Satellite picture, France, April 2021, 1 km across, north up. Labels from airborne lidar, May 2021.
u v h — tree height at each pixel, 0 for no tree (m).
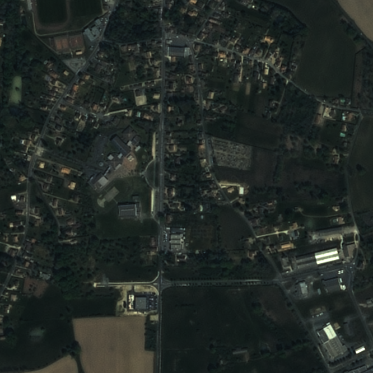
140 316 0
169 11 11
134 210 0
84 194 0
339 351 0
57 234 7
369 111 20
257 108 0
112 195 0
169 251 0
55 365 0
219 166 0
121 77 0
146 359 0
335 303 0
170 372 0
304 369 0
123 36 12
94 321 0
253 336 0
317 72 0
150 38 13
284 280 0
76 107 0
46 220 8
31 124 16
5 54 17
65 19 0
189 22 14
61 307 0
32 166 0
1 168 7
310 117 14
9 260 15
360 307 0
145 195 0
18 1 14
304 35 19
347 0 0
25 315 0
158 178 0
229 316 0
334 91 0
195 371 0
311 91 0
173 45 0
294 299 0
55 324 0
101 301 0
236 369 0
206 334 0
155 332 11
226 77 0
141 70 13
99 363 0
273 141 0
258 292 0
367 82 14
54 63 12
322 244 0
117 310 0
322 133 0
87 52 0
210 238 0
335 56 0
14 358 0
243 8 0
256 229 12
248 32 0
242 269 10
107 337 0
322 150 9
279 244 8
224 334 0
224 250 7
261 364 0
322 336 0
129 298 0
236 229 0
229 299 0
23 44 15
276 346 0
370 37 0
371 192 0
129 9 19
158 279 0
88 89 0
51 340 0
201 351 0
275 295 0
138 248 9
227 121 9
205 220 0
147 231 0
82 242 6
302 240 0
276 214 0
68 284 17
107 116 0
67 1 0
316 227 0
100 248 10
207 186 8
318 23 0
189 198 9
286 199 19
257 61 6
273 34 0
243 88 0
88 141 11
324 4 0
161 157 0
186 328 0
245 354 0
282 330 0
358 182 0
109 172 9
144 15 11
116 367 0
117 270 0
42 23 0
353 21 0
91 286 9
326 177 0
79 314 0
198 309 0
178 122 0
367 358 0
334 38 0
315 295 0
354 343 0
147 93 12
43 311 0
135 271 0
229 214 0
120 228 0
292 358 0
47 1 0
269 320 8
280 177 17
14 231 7
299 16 0
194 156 15
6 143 17
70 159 8
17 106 0
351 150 0
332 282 0
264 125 0
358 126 0
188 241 0
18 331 0
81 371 0
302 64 0
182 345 0
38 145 0
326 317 0
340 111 5
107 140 0
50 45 0
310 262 0
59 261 22
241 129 0
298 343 12
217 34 0
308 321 0
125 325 0
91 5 0
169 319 0
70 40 0
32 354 0
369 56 11
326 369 6
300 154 19
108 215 0
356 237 0
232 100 0
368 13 0
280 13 10
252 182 0
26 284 0
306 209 0
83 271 12
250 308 0
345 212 21
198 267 15
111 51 21
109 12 0
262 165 0
